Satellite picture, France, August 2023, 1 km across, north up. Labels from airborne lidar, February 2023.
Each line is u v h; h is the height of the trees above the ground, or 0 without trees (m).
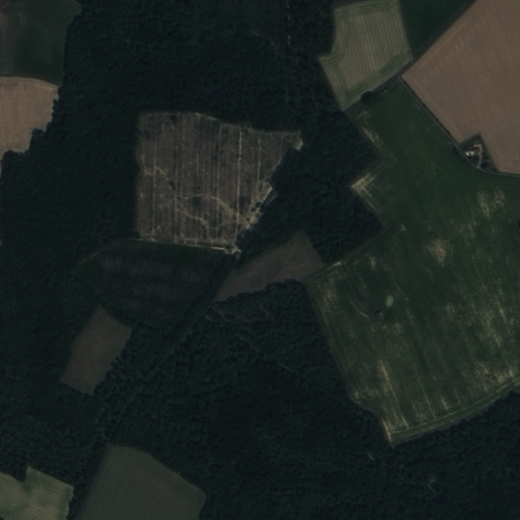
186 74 19
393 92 0
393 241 0
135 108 18
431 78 0
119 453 0
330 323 0
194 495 0
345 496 25
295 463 16
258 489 22
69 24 0
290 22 20
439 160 0
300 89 20
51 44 0
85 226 15
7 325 18
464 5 0
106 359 0
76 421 16
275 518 19
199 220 0
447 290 0
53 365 8
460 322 0
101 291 0
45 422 16
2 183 12
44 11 0
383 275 0
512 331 0
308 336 17
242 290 0
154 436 14
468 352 0
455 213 0
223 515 19
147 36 18
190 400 16
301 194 19
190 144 0
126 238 15
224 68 16
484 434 25
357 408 14
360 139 20
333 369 19
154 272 0
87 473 17
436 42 0
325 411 23
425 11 0
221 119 15
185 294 0
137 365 23
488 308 0
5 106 0
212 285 18
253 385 22
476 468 26
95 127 22
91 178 20
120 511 0
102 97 22
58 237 17
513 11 0
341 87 0
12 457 20
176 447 24
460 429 12
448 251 0
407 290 0
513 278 0
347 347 0
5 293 18
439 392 0
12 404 13
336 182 22
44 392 17
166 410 16
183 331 21
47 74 0
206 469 23
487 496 22
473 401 0
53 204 16
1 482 0
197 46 21
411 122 0
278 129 22
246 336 16
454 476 25
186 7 17
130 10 23
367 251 0
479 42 0
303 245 0
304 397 12
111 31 21
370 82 0
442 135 0
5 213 13
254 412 20
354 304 0
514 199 0
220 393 25
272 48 20
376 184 0
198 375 21
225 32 25
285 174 22
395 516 21
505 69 0
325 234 22
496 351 0
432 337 0
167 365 15
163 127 0
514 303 0
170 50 17
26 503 0
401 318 0
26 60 0
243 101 20
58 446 20
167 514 0
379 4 0
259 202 0
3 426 18
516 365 0
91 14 14
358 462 25
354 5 0
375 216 10
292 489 23
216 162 0
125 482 0
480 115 0
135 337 14
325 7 20
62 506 0
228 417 21
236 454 22
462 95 0
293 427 16
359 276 0
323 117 20
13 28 0
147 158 0
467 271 0
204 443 21
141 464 0
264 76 24
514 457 24
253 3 0
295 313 13
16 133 0
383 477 20
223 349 23
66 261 19
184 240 0
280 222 20
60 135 12
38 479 0
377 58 0
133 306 0
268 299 21
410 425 0
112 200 20
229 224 0
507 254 0
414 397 0
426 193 0
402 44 0
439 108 0
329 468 22
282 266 0
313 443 17
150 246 0
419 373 0
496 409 16
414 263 0
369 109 0
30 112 0
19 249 19
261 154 0
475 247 0
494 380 0
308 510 24
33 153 15
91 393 0
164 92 18
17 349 15
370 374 0
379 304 0
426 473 12
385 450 16
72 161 18
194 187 0
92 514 0
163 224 0
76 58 20
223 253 0
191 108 18
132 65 21
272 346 11
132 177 14
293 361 15
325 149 22
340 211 23
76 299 18
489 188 0
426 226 0
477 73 0
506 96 0
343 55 0
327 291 0
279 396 21
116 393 9
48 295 18
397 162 0
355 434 17
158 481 0
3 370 13
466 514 22
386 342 0
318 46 21
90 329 0
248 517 26
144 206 0
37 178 19
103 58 21
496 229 0
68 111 17
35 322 19
